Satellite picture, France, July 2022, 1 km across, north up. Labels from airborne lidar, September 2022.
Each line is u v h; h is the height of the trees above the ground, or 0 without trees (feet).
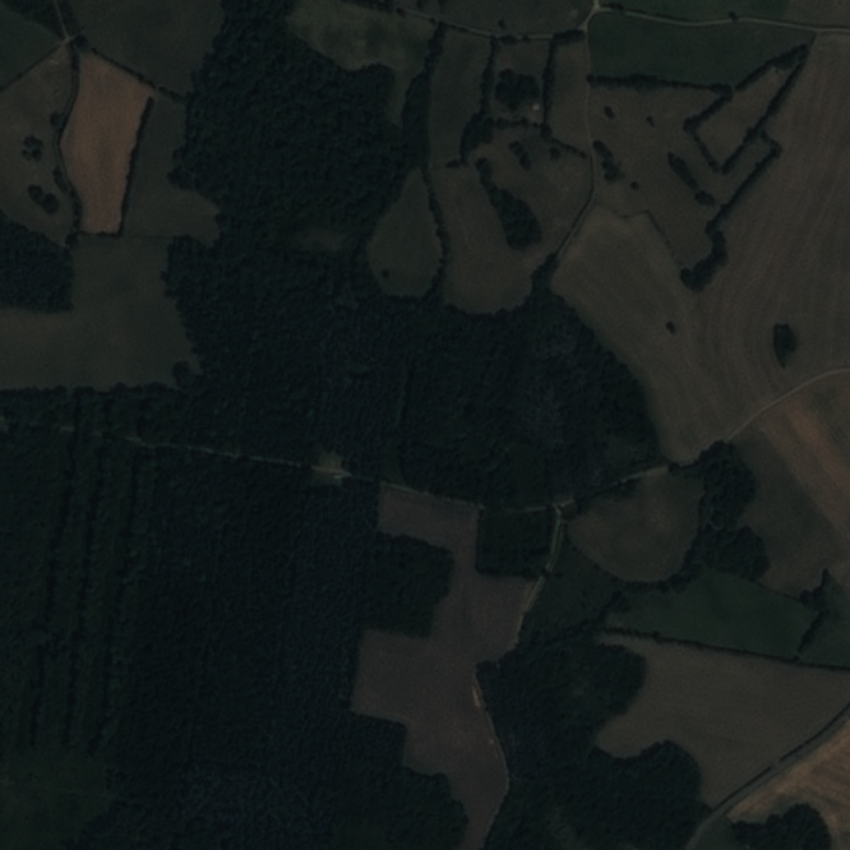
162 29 0
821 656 0
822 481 0
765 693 0
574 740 43
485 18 0
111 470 54
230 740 38
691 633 0
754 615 0
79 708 59
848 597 0
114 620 53
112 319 0
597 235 0
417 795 41
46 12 42
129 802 50
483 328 67
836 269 0
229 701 37
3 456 64
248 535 47
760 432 0
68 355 0
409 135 38
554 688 27
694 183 39
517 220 27
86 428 51
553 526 26
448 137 0
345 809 67
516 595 0
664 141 0
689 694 0
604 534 0
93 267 0
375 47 0
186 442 47
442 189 0
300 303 46
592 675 27
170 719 62
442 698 0
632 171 0
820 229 0
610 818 50
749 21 0
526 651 40
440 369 59
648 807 44
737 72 0
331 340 57
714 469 66
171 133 0
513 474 71
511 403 59
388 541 64
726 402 0
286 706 70
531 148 0
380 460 73
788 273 0
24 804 0
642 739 0
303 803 80
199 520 46
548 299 26
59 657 64
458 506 0
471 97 0
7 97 0
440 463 44
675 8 0
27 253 46
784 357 22
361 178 43
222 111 50
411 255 0
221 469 39
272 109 60
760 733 0
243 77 45
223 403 55
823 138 0
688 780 36
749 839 47
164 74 0
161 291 0
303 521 73
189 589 56
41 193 45
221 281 47
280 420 42
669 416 0
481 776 0
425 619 39
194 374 40
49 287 61
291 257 63
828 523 0
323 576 79
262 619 35
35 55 0
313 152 55
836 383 0
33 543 65
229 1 49
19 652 77
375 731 60
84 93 0
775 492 0
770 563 30
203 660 42
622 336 0
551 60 28
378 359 66
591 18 0
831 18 0
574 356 50
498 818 19
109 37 0
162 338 0
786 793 0
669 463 19
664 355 0
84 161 0
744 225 0
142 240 0
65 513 63
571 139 0
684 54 0
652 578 0
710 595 0
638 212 0
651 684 0
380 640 0
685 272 31
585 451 72
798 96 0
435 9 0
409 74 0
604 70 0
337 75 53
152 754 61
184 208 0
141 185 0
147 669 53
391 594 66
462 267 0
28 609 73
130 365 0
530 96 24
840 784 0
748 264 0
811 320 0
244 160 43
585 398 45
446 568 39
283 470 43
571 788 45
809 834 43
